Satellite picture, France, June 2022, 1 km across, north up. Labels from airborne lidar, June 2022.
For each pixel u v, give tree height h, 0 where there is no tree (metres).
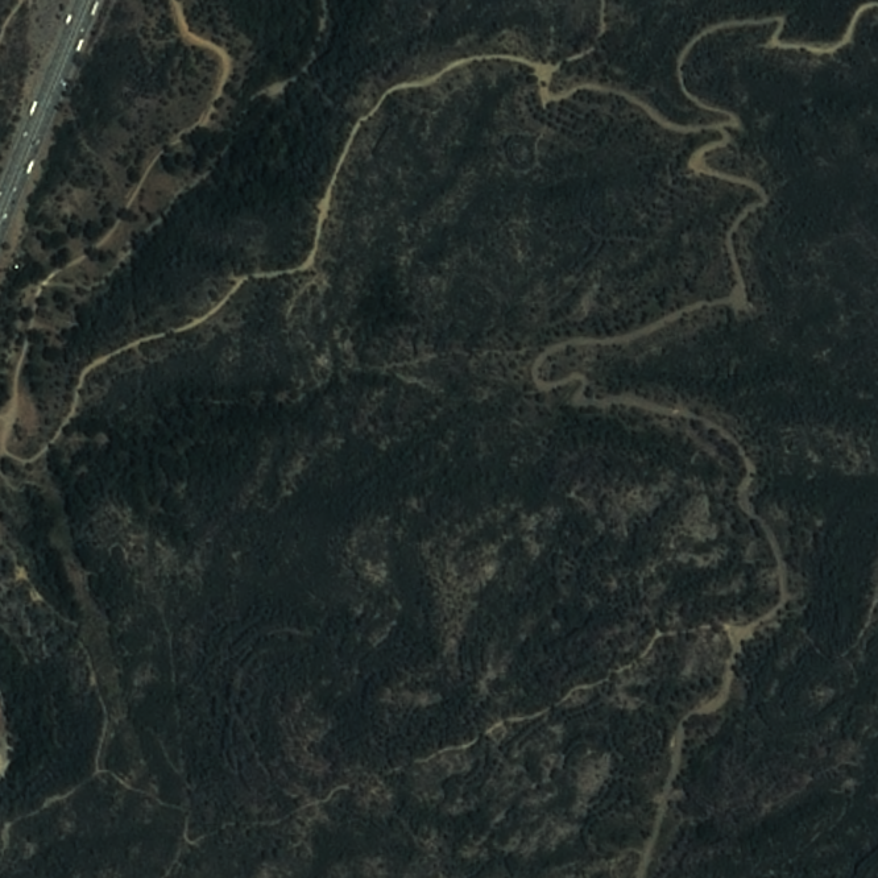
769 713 10
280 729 7
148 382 7
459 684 12
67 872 8
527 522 0
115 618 5
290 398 9
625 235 9
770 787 11
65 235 12
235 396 9
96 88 8
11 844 0
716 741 10
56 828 6
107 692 7
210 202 10
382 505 12
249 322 6
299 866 0
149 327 6
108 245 0
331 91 8
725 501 11
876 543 6
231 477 7
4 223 0
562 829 0
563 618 12
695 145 12
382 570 0
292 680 12
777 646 9
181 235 8
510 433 7
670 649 14
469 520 8
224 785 11
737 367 6
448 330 8
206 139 14
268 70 11
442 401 8
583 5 0
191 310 0
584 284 7
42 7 0
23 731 10
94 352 9
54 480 6
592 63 7
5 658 13
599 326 15
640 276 7
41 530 8
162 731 9
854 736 7
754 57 7
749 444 7
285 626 9
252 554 9
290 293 7
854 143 0
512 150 6
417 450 8
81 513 7
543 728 7
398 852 10
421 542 7
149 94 11
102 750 0
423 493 9
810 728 8
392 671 13
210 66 8
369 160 0
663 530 7
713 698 0
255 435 7
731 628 0
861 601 6
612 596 10
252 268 8
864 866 11
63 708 8
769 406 7
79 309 10
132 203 0
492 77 0
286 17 12
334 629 11
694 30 7
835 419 14
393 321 11
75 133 9
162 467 12
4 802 18
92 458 19
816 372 10
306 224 6
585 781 0
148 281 11
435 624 7
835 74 7
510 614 9
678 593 12
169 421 22
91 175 8
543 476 7
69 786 6
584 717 9
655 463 11
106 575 10
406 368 6
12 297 13
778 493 10
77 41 0
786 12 8
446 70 0
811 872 10
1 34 0
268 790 14
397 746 8
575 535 11
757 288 7
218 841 7
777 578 0
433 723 9
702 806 14
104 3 0
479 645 7
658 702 10
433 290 8
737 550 9
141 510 15
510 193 6
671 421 6
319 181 7
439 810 7
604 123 9
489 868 8
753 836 7
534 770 11
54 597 9
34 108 0
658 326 0
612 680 6
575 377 0
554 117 10
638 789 8
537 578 8
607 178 7
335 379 7
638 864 0
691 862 10
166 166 13
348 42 7
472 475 7
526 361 9
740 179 0
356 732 13
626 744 9
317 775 10
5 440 0
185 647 8
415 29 7
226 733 11
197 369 9
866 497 7
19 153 0
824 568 10
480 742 8
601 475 12
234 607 12
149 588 0
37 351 14
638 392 6
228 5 7
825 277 6
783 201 6
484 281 0
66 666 8
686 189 8
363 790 11
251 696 11
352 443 7
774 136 7
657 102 8
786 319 6
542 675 18
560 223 9
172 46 10
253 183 23
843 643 11
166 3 10
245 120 7
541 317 0
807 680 10
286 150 11
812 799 7
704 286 0
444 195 8
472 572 10
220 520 13
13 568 8
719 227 7
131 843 8
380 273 8
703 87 10
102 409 7
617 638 15
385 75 7
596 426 15
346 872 0
